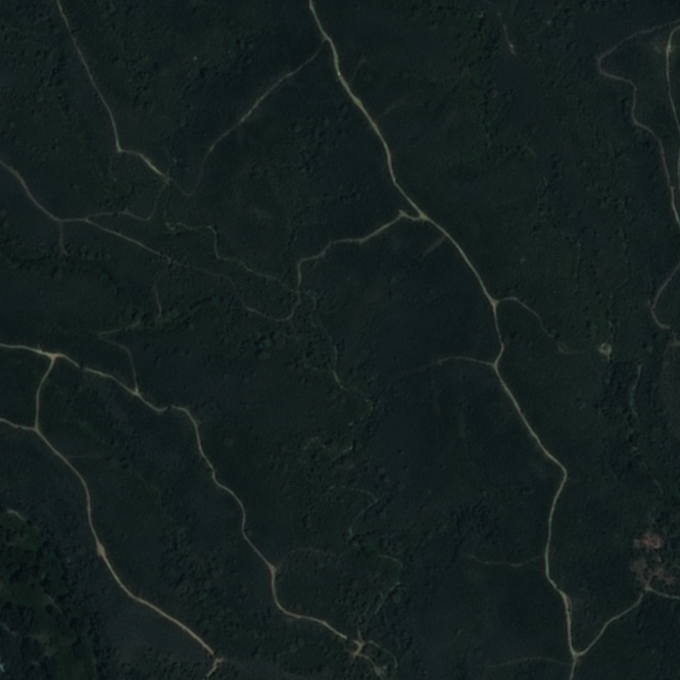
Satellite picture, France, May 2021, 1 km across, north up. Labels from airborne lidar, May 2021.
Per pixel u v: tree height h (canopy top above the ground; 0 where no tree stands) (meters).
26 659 34
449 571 6
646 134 11
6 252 14
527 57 8
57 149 12
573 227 7
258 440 9
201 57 6
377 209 7
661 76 0
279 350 5
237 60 7
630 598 9
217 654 9
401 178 5
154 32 10
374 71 6
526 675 9
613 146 7
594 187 9
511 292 9
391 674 8
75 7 5
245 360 6
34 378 6
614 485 7
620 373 19
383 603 9
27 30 6
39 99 13
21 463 5
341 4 5
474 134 6
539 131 6
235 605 6
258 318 5
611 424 7
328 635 9
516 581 6
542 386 6
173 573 15
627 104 13
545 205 6
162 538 8
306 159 9
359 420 8
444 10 15
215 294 8
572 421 6
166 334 8
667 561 14
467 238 6
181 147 6
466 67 11
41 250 11
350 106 6
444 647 0
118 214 8
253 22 6
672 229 10
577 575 8
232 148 5
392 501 11
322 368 15
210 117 5
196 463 9
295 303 10
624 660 6
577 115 6
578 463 6
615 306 6
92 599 12
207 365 8
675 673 11
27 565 21
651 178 10
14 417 5
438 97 6
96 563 10
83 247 10
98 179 5
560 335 11
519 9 7
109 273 14
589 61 6
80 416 6
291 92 6
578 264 6
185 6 6
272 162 11
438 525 11
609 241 8
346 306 7
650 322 6
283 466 14
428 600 8
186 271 8
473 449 6
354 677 9
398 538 9
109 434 6
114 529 8
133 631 0
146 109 10
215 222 6
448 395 6
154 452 5
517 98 6
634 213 6
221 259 9
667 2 7
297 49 6
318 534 9
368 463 11
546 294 5
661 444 6
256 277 6
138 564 6
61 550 13
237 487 6
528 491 13
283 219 6
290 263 7
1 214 13
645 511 9
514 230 10
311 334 10
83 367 10
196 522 6
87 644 15
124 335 6
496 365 0
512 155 10
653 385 10
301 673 9
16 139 9
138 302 5
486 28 15
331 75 5
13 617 30
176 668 9
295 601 6
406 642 11
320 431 11
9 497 6
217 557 6
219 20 6
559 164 14
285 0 7
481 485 6
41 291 7
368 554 13
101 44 7
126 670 9
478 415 5
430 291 9
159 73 11
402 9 6
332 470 10
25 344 6
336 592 6
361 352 7
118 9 6
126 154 8
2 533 21
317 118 6
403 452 9
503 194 5
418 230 5
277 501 9
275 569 0
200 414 8
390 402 6
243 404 9
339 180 5
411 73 6
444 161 6
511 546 7
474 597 8
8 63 8
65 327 5
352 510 7
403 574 6
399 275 6
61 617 24
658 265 5
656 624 12
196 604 8
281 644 7
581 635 7
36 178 6
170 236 9
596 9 10
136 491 6
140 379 5
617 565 16
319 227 5
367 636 14
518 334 11
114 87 6
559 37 7
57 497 5
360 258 6
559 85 6
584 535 10
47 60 17
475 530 9
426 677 8
